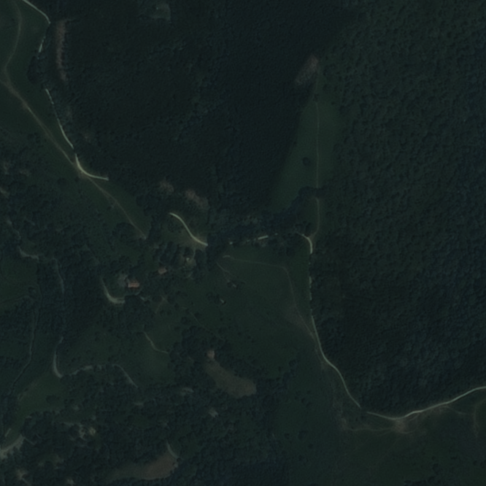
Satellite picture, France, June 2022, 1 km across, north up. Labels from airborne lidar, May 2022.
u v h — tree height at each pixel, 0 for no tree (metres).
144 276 21
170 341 0
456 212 14
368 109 21
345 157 17
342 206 13
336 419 0
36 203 29
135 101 20
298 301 0
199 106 21
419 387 20
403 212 20
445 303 16
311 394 9
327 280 19
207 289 0
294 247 13
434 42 17
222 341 10
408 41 18
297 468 0
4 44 0
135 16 27
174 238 0
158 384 8
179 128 22
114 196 0
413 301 24
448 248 14
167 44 23
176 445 0
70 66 22
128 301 24
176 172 21
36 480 22
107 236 8
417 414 0
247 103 25
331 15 21
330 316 20
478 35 20
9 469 16
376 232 7
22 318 12
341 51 14
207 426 33
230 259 0
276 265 0
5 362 23
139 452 23
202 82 15
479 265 12
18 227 33
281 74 23
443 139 21
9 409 20
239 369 20
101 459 30
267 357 0
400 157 15
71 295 19
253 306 0
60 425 16
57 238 21
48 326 7
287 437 13
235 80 26
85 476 27
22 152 16
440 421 0
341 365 9
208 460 25
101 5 25
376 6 14
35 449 36
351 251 12
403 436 0
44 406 0
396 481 0
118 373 19
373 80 16
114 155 16
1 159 26
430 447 0
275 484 19
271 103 22
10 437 0
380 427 0
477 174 19
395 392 17
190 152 18
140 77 21
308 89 8
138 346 0
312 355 0
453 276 10
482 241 19
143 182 9
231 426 17
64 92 22
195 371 23
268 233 18
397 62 19
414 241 12
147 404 11
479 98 22
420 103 21
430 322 11
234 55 27
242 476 20
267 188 22
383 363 15
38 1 16
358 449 0
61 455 31
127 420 9
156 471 0
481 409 0
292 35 16
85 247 22
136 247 17
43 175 6
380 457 0
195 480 26
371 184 9
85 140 20
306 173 0
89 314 12
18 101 0
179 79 22
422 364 13
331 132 0
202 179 24
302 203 23
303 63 19
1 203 29
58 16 8
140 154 24
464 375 8
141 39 19
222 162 24
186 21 22
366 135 14
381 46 20
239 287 7
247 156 28
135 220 0
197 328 13
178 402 32
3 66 0
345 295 14
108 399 21
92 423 15
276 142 24
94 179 0
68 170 0
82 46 25
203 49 27
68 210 9
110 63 26
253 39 27
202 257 22
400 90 21
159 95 20
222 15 19
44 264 11
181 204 5
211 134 21
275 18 18
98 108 19
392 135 16
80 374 16
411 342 10
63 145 0
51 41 14
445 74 9
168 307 0
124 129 22
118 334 18
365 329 14
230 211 19
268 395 24
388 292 9
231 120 33
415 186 19
